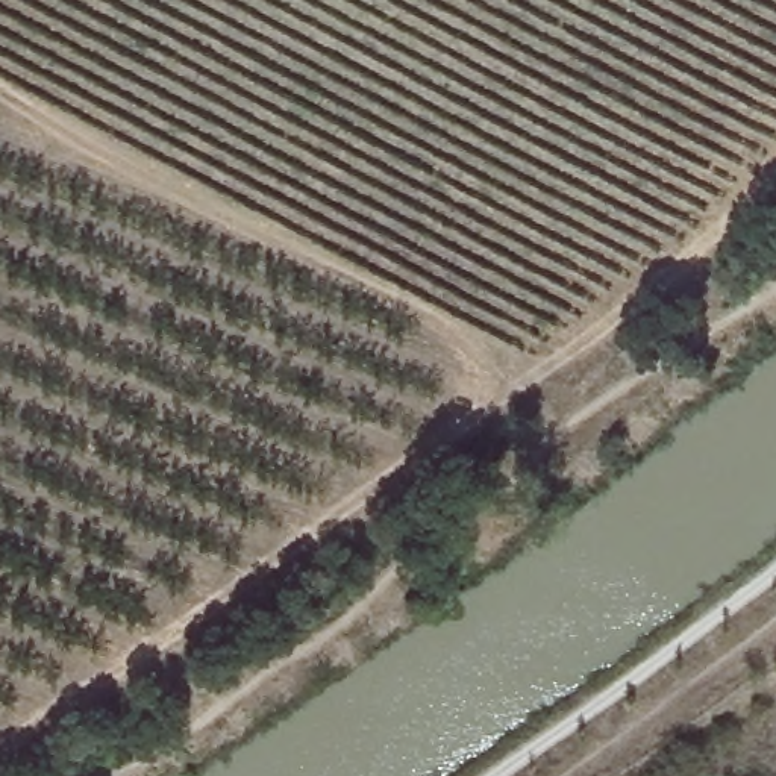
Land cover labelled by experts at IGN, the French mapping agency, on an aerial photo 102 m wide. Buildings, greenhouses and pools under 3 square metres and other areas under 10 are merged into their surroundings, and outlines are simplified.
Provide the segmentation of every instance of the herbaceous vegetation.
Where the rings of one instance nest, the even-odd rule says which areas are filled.
[[[761,312],[770,324],[776,324],[776,279],[734,309],[724,309],[724,291],[712,279],[706,282],[709,343],[718,352],[712,373],[718,379],[728,373],[731,358],[746,346],[746,318]]]
[[[609,709],[597,712],[588,721],[579,721],[579,728],[570,737],[564,737],[549,752],[534,758],[518,776],[637,776],[655,758],[664,731],[676,724],[703,728],[721,712],[734,712],[743,718],[737,749],[746,752],[767,776],[776,776],[776,582],[761,597],[746,603],[740,612],[728,615],[703,640],[676,652],[676,658],[655,676],[649,676],[640,685],[631,685],[624,697],[615,700]]]
[[[627,424],[631,443],[646,443],[664,418],[673,418],[673,412],[685,400],[694,400],[700,394],[700,379],[682,379],[676,373],[667,373],[658,361],[652,370],[637,373],[634,358],[612,340],[606,340],[585,358],[567,364],[564,370],[546,376],[537,385],[543,391],[543,421],[558,427],[558,449],[567,458],[564,479],[573,479],[576,485],[591,482],[600,473],[600,433],[612,421]]]

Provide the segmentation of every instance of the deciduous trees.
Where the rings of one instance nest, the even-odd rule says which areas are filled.
[[[655,758],[637,776],[767,776],[746,752],[737,749],[743,718],[734,712],[721,712],[703,728],[676,724],[664,731]]]
[[[673,618],[640,634],[637,643],[624,655],[618,655],[615,664],[588,673],[576,691],[527,712],[527,718],[518,728],[506,731],[491,749],[464,761],[452,776],[494,776],[491,764],[503,761],[521,743],[534,740],[555,721],[561,721],[570,709],[582,706],[588,697],[612,685],[618,676],[634,670],[667,640],[682,634],[718,600],[731,597],[740,585],[746,585],[767,564],[776,561],[776,540],[770,540],[758,558],[743,561],[740,573],[724,573],[718,582],[700,585],[697,609],[682,606]]]
[[[224,309],[230,321],[243,318],[258,330],[273,330],[276,336],[294,340],[303,349],[318,352],[321,358],[346,361],[355,370],[373,373],[382,385],[437,394],[443,382],[443,376],[430,367],[397,361],[403,355],[403,333],[418,324],[418,315],[412,315],[406,306],[388,306],[364,288],[343,285],[330,276],[318,276],[309,267],[291,261],[285,252],[264,249],[258,243],[243,243],[203,221],[185,221],[182,209],[170,212],[170,206],[152,197],[127,197],[115,182],[94,179],[82,167],[45,167],[39,155],[12,152],[9,146],[0,146],[0,179],[12,179],[18,185],[30,185],[33,191],[49,194],[67,188],[70,203],[91,203],[97,215],[118,218],[121,224],[146,236],[167,239],[191,258],[203,258],[203,249],[215,252],[221,267],[239,270],[243,276],[249,276],[255,264],[264,264],[267,285],[273,294],[273,306],[249,294],[233,294],[224,285],[209,285],[197,279],[185,267],[149,264],[149,249],[133,249],[121,239],[106,239],[88,221],[64,221],[64,212],[45,212],[39,206],[30,209],[0,197],[0,224],[18,230],[24,227],[33,239],[49,239],[67,252],[100,258],[106,267],[127,270],[133,279],[142,279],[152,288],[173,288],[170,303],[158,303],[149,312],[142,312],[127,306],[118,288],[103,291],[97,279],[79,276],[76,270],[61,267],[45,255],[30,258],[27,252],[0,243],[0,273],[6,273],[9,282],[24,282],[42,294],[58,291],[67,303],[82,303],[88,312],[103,312],[118,324],[136,324],[142,330],[152,330],[149,343],[142,346],[130,340],[106,343],[100,327],[79,327],[76,318],[61,318],[55,309],[27,312],[18,300],[0,300],[0,321],[30,330],[39,340],[52,340],[61,349],[82,352],[91,361],[136,373],[173,391],[173,409],[167,415],[155,415],[155,397],[136,400],[130,388],[97,388],[88,376],[73,376],[70,367],[61,361],[36,361],[30,352],[15,352],[9,343],[0,343],[0,373],[12,373],[15,379],[39,385],[42,391],[58,397],[88,400],[94,412],[109,412],[106,424],[94,430],[82,421],[73,421],[70,415],[58,415],[36,403],[15,403],[6,391],[0,391],[0,424],[18,424],[30,433],[45,433],[52,443],[61,446],[97,446],[97,455],[109,464],[118,464],[121,470],[136,470],[152,482],[170,485],[170,491],[176,494],[194,494],[200,503],[218,503],[230,515],[252,521],[246,537],[224,537],[212,530],[206,518],[191,518],[188,506],[170,509],[149,500],[146,494],[139,494],[136,500],[115,500],[97,473],[79,470],[70,461],[58,461],[55,452],[24,452],[15,449],[12,440],[0,440],[0,776],[221,776],[230,767],[233,752],[255,743],[261,734],[273,731],[279,721],[303,709],[309,700],[321,697],[327,685],[343,682],[355,667],[373,661],[379,652],[406,640],[412,631],[440,631],[446,621],[464,618],[461,594],[482,585],[488,576],[506,570],[524,549],[561,546],[570,534],[570,524],[576,521],[576,512],[585,503],[618,485],[649,455],[670,446],[673,433],[682,424],[706,412],[721,394],[743,388],[743,382],[764,361],[776,358],[776,324],[770,324],[761,312],[746,318],[746,346],[731,358],[728,373],[718,379],[712,373],[718,352],[709,343],[706,282],[712,279],[724,291],[724,309],[734,309],[776,279],[776,182],[767,188],[770,206],[740,209],[734,203],[728,230],[712,255],[688,261],[652,261],[652,267],[640,279],[637,294],[621,309],[621,324],[615,327],[612,340],[634,358],[637,373],[652,370],[658,361],[667,373],[676,373],[682,379],[700,379],[700,394],[694,400],[685,400],[673,412],[673,418],[664,418],[646,443],[631,443],[627,424],[612,421],[600,433],[600,473],[591,482],[576,485],[573,479],[564,479],[567,458],[558,449],[558,427],[543,421],[543,391],[537,385],[512,394],[506,409],[473,409],[470,400],[461,397],[440,406],[430,418],[421,421],[400,403],[376,403],[373,394],[364,388],[355,394],[352,388],[340,388],[340,382],[324,382],[318,370],[279,367],[258,346],[249,346],[243,336],[224,336],[215,324],[179,321],[173,312],[176,306]],[[258,397],[261,382],[279,385],[285,394],[300,394],[312,403],[352,412],[361,421],[400,427],[403,440],[409,443],[403,467],[397,470],[391,461],[373,464],[373,449],[367,443],[349,443],[330,424],[315,424],[309,430],[306,418],[297,415],[294,406],[276,406],[267,397]],[[133,555],[124,546],[121,534],[97,530],[94,518],[73,521],[64,512],[52,512],[45,500],[27,503],[9,494],[3,482],[12,476],[39,482],[85,506],[103,506],[109,515],[124,515],[142,530],[170,537],[170,552],[158,552],[152,561],[146,561],[142,555]]]

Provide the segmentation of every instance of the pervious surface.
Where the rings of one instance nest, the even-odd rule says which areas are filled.
[[[615,327],[621,324],[621,309],[609,306],[606,312],[600,312],[600,318],[579,318],[570,327],[552,324],[549,355],[521,355],[518,349],[424,303],[421,297],[300,239],[282,224],[267,221],[258,212],[249,212],[246,206],[203,188],[200,182],[133,152],[130,146],[82,124],[79,118],[0,79],[0,146],[9,146],[12,152],[39,155],[45,167],[82,167],[94,179],[115,182],[127,197],[152,197],[170,206],[170,212],[182,209],[185,221],[203,221],[243,243],[258,243],[264,249],[285,252],[291,261],[309,267],[318,276],[330,276],[343,285],[364,288],[388,306],[406,306],[412,315],[418,315],[418,324],[403,333],[403,355],[397,361],[430,367],[443,376],[443,382],[461,397],[470,400],[473,409],[506,409],[512,394],[537,385],[546,376],[564,370],[567,364],[585,358],[606,340],[612,340]]]
[[[740,585],[731,597],[718,600],[682,634],[667,640],[634,670],[618,676],[612,685],[588,697],[582,706],[570,709],[561,721],[555,721],[534,740],[521,743],[503,761],[491,764],[494,776],[518,776],[534,758],[549,752],[564,737],[570,737],[579,728],[579,721],[588,721],[597,712],[609,709],[615,700],[624,697],[631,685],[640,685],[649,676],[655,676],[676,658],[676,652],[703,640],[728,615],[740,612],[746,603],[761,597],[776,582],[776,561],[767,564],[746,585]]]

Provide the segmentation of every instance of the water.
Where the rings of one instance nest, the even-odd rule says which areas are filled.
[[[637,643],[640,634],[673,618],[682,606],[697,609],[700,585],[718,582],[724,573],[740,573],[743,561],[758,558],[770,540],[776,540],[776,358],[764,361],[743,382],[743,388],[721,394],[706,412],[682,424],[673,433],[670,446],[649,455],[618,485],[585,503],[576,512],[576,521],[570,524],[570,534],[561,546],[524,549],[506,570],[488,576],[482,585],[461,594],[464,618],[446,621],[440,631],[412,631],[406,640],[379,652],[373,661],[355,667],[343,682],[327,685],[321,697],[309,700],[303,709],[279,721],[273,731],[261,734],[255,743],[233,752],[230,767],[221,776],[452,776],[464,761],[491,749],[506,731],[518,728],[527,718],[527,712],[576,691],[588,673],[615,664],[618,655],[624,655]]]

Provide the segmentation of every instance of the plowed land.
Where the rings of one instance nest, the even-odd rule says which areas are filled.
[[[0,273],[0,300],[18,300],[27,312],[55,309],[61,318],[76,318],[79,327],[100,327],[106,343],[130,340],[142,346],[149,343],[152,330],[142,330],[136,324],[118,324],[103,312],[88,312],[82,303],[67,303],[58,291],[42,294],[24,282],[9,282],[6,273]]]
[[[294,406],[297,415],[306,418],[309,430],[315,424],[330,424],[349,443],[367,443],[373,449],[373,464],[391,461],[397,470],[403,467],[409,443],[403,440],[400,427],[361,421],[352,412],[312,403],[300,394],[285,394],[279,385],[261,382],[258,397],[267,397],[276,406]]]
[[[149,312],[158,303],[170,303],[173,288],[152,288],[142,279],[133,279],[127,270],[106,267],[100,258],[67,252],[49,239],[33,239],[24,227],[18,230],[0,224],[0,243],[27,252],[30,258],[45,255],[61,267],[76,270],[79,276],[97,279],[103,291],[118,288],[127,306],[142,312]]]
[[[158,552],[170,552],[170,537],[142,530],[124,515],[109,515],[103,506],[85,506],[39,482],[12,476],[3,482],[9,494],[27,503],[45,500],[52,512],[64,512],[73,521],[94,518],[97,530],[121,534],[124,546],[133,555],[142,555],[146,561],[152,561]]]
[[[97,388],[130,388],[136,400],[155,397],[155,415],[167,415],[173,409],[173,391],[136,373],[91,361],[82,352],[61,349],[52,340],[39,340],[30,330],[0,321],[0,343],[9,343],[15,352],[30,352],[36,361],[61,361],[70,367],[73,376],[88,376]]]
[[[97,455],[97,446],[61,446],[52,443],[45,433],[30,433],[18,424],[0,424],[0,440],[12,440],[15,449],[24,452],[55,452],[58,461],[70,461],[79,470],[97,473],[115,500],[136,500],[139,494],[146,494],[149,500],[170,509],[188,506],[191,518],[206,518],[212,530],[224,537],[246,537],[252,521],[230,515],[218,503],[200,503],[194,494],[176,494],[170,491],[170,485],[152,482],[136,470],[121,470],[118,464],[109,464]]]
[[[109,412],[94,412],[88,400],[58,397],[42,391],[39,385],[15,379],[12,373],[0,373],[0,391],[6,391],[15,403],[36,403],[58,415],[70,415],[73,421],[82,421],[94,430],[106,424]]]
[[[243,318],[230,321],[224,309],[176,306],[173,312],[179,321],[215,324],[224,336],[243,336],[249,346],[258,346],[279,367],[318,370],[324,382],[340,382],[340,388],[352,388],[355,394],[364,388],[373,394],[376,403],[400,403],[421,421],[430,418],[440,406],[461,397],[443,382],[437,394],[382,385],[373,373],[355,370],[346,361],[321,358],[318,352],[303,349],[294,340],[276,336],[273,330],[258,330]]]
[[[0,179],[0,197],[30,209],[39,206],[45,212],[64,212],[64,221],[88,221],[106,239],[121,239],[133,249],[149,249],[149,264],[185,267],[197,279],[209,285],[224,285],[233,294],[249,294],[273,306],[273,294],[267,285],[264,264],[255,264],[249,276],[243,276],[239,270],[221,267],[215,252],[203,249],[203,258],[191,258],[167,239],[146,236],[121,224],[118,218],[97,215],[91,203],[70,203],[67,188],[49,194],[33,191],[30,185],[18,185],[12,179]]]

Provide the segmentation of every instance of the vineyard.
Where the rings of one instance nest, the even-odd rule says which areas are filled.
[[[0,0],[0,79],[79,118],[82,124],[130,146],[133,152],[200,182],[203,188],[246,206],[249,212],[258,212],[267,221],[282,224],[300,239],[421,297],[424,303],[518,349],[521,355],[549,355],[552,324],[570,327],[579,318],[600,318],[600,312],[606,312],[609,306],[621,309],[637,294],[640,279],[652,267],[652,261],[688,261],[712,255],[728,230],[734,203],[740,209],[770,206],[767,188],[776,182],[776,0]]]

